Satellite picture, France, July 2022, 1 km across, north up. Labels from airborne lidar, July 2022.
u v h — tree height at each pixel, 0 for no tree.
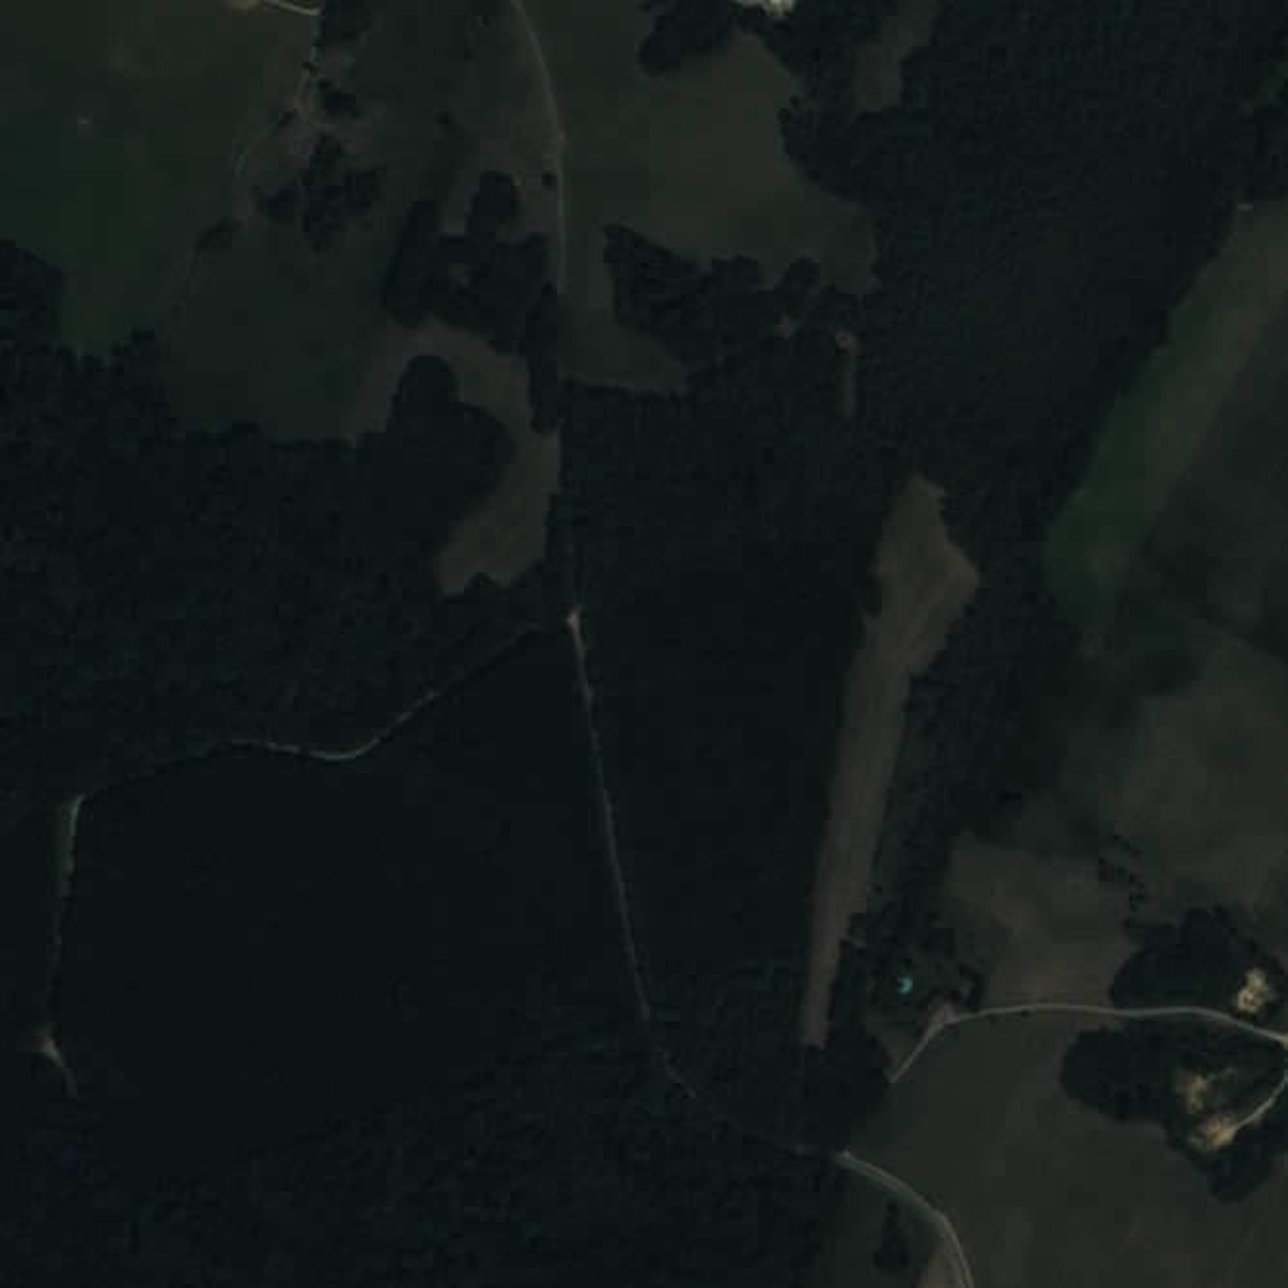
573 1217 18
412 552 21
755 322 18
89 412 24
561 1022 14
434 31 0
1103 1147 0
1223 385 0
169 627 22
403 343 0
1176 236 12
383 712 14
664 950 14
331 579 20
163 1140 14
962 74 20
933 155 15
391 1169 22
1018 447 10
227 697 19
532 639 15
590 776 14
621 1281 20
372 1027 10
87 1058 18
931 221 10
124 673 20
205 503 21
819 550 15
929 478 13
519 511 0
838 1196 19
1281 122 22
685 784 11
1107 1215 0
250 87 0
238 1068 16
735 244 0
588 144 0
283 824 13
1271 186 19
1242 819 0
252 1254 18
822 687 15
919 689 13
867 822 0
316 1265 18
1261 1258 0
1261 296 0
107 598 19
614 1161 17
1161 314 18
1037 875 0
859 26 16
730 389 19
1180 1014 0
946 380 6
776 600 16
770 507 13
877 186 17
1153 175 9
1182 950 23
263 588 20
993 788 0
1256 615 0
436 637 21
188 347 0
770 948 15
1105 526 0
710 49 12
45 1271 25
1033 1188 0
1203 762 0
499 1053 13
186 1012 15
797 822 13
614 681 14
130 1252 18
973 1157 0
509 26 0
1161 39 14
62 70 0
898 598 0
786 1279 22
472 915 13
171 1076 14
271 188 0
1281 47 23
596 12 0
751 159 0
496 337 13
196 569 21
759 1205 22
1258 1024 10
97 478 23
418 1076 14
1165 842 0
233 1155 15
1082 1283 0
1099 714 0
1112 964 0
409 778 18
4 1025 25
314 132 0
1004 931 0
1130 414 0
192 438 14
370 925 13
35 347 23
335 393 0
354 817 13
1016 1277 0
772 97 0
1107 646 0
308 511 23
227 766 15
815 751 12
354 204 7
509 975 12
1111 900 0
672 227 0
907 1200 0
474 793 9
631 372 0
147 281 0
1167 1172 0
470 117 0
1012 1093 0
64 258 0
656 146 0
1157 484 0
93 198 0
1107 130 8
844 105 16
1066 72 15
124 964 15
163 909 12
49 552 25
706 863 11
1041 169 15
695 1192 17
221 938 14
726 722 14
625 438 22
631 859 13
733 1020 20
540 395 18
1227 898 0
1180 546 0
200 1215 16
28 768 21
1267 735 0
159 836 12
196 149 0
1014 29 14
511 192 14
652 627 12
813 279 16
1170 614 0
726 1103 18
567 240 0
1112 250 9
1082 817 0
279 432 0
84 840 11
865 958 15
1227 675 0
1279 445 0
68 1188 16
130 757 17
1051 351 8
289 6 0
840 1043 18
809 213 0
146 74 0
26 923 15
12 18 0
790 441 17
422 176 0
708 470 19
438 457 27
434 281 22
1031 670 17
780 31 19
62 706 21
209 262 0
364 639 21
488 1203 19
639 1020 18
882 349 16
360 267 0
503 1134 25
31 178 0
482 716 16
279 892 12
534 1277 17
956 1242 0
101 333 0
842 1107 19
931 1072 0
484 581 15
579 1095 21
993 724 9
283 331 0
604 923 12
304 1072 14
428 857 11
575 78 0
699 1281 19
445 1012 12
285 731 12
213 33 0
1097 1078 17
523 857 12
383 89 0
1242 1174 14
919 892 18
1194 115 13
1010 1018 0
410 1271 23
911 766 0
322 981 14
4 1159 23
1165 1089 20
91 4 0
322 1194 18
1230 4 7
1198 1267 0
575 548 17
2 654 24
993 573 15
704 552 18
